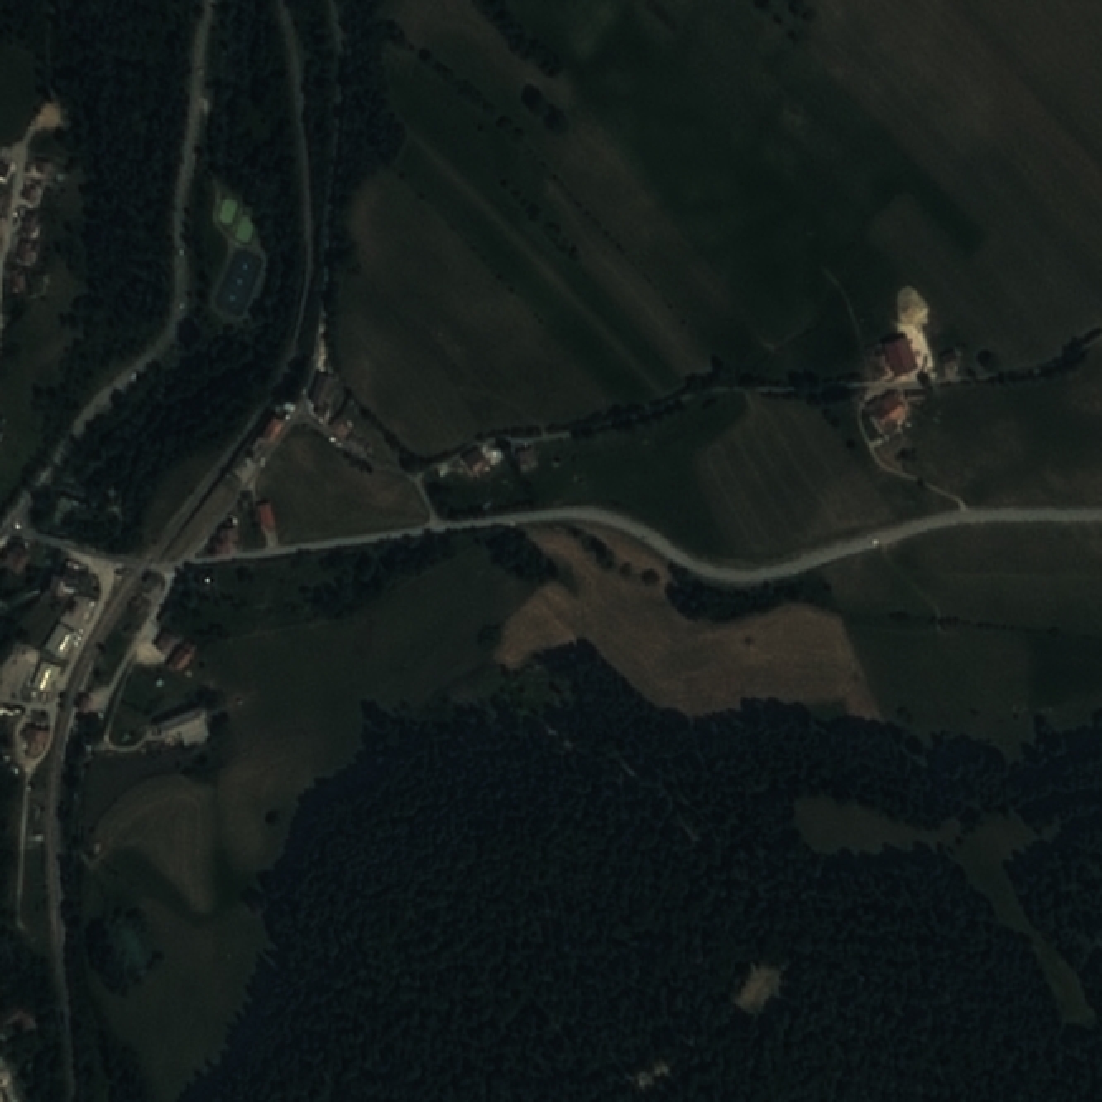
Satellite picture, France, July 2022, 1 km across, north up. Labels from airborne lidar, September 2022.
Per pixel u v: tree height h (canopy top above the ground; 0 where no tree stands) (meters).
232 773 0
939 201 0
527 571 8
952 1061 22
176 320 0
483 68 0
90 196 14
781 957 25
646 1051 12
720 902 12
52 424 6
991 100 0
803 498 0
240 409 20
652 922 28
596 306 0
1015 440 0
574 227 0
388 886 27
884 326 0
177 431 25
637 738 31
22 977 13
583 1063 23
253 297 0
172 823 0
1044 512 0
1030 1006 29
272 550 0
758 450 0
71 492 0
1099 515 0
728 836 19
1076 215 0
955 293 0
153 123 31
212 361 18
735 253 0
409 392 0
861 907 17
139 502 10
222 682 0
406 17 0
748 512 0
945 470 0
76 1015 12
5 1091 0
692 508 0
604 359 0
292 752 0
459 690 0
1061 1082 24
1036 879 30
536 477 0
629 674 0
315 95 16
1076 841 18
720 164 0
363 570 21
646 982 27
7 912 7
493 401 0
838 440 0
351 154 17
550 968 22
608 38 0
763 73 0
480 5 8
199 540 0
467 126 0
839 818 0
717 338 0
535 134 0
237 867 0
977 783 24
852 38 0
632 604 0
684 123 0
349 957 19
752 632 0
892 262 0
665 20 0
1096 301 0
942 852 11
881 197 0
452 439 0
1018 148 0
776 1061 22
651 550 0
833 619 0
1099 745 29
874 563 0
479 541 10
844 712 0
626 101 0
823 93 0
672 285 0
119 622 0
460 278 0
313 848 27
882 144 0
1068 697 0
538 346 0
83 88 6
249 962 0
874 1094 15
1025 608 0
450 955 25
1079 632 0
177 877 0
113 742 0
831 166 0
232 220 0
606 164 0
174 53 29
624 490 0
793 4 9
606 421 6
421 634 0
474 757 22
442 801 24
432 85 0
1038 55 0
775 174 0
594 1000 25
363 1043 26
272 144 10
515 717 39
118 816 0
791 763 25
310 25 7
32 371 0
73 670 0
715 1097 22
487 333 0
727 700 0
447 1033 17
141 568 0
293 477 0
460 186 0
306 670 0
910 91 0
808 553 0
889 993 24
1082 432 0
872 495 0
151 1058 0
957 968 32
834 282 0
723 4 0
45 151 0
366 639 0
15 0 20
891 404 0
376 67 17
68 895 8
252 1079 32
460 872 16
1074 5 0
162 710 0
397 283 0
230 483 0
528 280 0
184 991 0
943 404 0
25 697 0
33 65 0
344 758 0
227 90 20
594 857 12
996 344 0
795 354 0
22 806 0
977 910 31
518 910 23
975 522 0
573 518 0
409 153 0
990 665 0
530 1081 22
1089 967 16
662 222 0
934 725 0
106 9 25
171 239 16
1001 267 0
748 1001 0
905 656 0
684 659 0
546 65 12
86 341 6
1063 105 0
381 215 0
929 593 0
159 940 0
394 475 0
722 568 0
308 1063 27
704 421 0
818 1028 21
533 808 16
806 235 0
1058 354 0
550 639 0
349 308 0
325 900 30
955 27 0
